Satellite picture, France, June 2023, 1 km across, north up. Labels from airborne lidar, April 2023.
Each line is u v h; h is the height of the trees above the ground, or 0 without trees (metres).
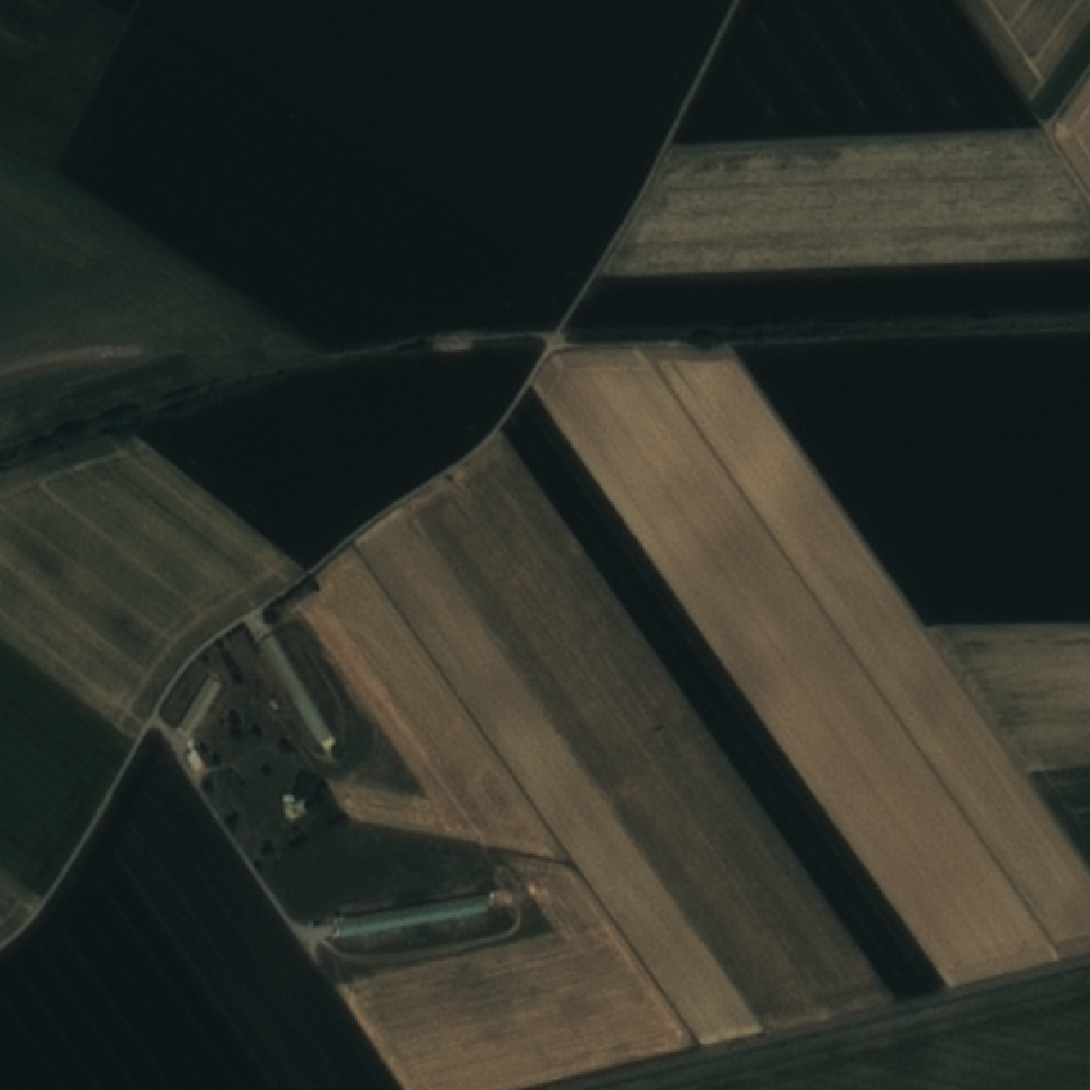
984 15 0
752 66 0
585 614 0
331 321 0
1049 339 0
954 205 0
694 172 0
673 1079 0
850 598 0
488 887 0
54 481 0
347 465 0
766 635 0
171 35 0
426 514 0
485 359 0
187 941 0
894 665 0
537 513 0
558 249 0
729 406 0
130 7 0
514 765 0
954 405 0
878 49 0
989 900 0
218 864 0
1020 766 0
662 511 0
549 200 0
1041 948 0
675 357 0
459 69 0
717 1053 0
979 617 0
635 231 0
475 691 0
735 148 0
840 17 0
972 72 0
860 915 0
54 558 0
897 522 0
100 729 0
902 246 0
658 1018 0
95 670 0
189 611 0
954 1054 0
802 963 0
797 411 0
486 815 0
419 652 0
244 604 0
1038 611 0
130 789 0
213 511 0
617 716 0
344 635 0
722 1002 0
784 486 0
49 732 0
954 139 0
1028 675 0
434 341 0
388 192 0
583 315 0
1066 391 0
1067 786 0
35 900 0
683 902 0
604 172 0
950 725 0
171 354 0
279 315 0
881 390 0
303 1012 0
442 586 0
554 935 0
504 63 0
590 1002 0
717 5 0
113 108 0
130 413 11
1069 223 0
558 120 0
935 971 0
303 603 0
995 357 0
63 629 0
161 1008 0
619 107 0
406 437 0
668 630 0
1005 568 0
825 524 0
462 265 0
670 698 0
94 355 0
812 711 0
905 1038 0
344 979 0
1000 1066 0
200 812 0
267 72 0
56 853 0
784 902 0
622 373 0
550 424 0
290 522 0
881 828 0
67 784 0
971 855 0
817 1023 0
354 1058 0
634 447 0
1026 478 0
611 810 0
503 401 0
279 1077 0
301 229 0
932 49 0
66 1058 0
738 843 0
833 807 0
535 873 0
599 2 0
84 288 0
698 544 0
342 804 0
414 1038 0
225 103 0
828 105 0
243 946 0
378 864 0
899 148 0
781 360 0
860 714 0
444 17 0
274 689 0
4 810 0
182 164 0
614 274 0
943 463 0
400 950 0
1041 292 0
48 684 0
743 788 0
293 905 0
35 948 0
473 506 0
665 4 0
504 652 0
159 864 0
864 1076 0
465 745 0
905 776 0
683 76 0
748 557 0
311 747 0
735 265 0
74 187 0
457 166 0
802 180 0
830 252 0
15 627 0
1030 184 0
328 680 0
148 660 0
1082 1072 0
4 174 0
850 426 0
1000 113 0
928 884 0
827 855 0
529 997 0
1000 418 0
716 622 0
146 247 0
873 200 0
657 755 0
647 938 0
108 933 0
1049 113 0
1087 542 0
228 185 0
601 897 0
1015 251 0
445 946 0
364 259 0
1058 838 0
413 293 0
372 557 0
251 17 0
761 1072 0
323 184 0
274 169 0
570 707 0
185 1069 0
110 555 0
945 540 0
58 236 0
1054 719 0
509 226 0
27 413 0
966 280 0
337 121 0
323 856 0
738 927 0
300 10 0
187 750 0
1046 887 0
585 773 0
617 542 0
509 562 0
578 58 0
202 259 0
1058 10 0
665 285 0
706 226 0
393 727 0
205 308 0
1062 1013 0
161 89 0
